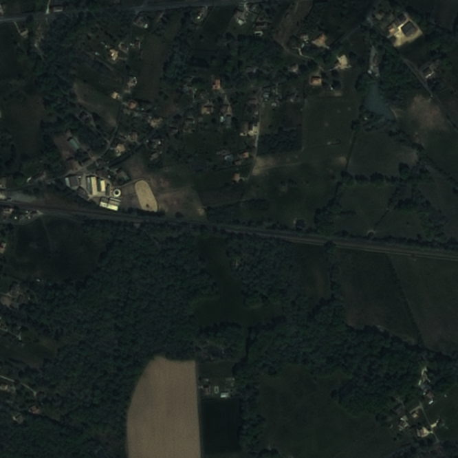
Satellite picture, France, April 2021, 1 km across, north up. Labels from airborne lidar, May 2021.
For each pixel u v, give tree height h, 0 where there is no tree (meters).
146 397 0
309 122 0
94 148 15
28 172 0
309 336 18
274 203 0
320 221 20
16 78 0
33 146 0
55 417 0
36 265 0
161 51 0
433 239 10
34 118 0
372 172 0
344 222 0
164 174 0
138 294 19
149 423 0
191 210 0
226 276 0
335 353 11
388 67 20
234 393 0
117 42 6
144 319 23
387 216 0
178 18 0
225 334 16
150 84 0
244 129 0
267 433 0
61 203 0
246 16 0
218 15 0
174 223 0
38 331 21
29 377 17
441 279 0
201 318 0
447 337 0
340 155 0
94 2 21
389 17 10
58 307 20
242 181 7
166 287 12
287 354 11
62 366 11
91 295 22
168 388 0
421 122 0
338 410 0
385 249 0
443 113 0
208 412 0
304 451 0
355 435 0
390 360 25
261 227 15
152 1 0
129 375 15
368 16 0
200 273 13
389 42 18
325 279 0
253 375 10
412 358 21
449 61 12
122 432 14
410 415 8
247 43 19
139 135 9
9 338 7
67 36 28
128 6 0
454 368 15
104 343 17
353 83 0
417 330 11
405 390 25
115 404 25
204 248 0
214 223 8
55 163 24
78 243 0
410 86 12
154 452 0
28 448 17
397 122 9
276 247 15
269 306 17
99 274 13
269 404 0
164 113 0
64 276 0
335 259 13
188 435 0
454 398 0
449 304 0
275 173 0
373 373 19
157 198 0
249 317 0
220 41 14
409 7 0
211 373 0
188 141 0
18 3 0
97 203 7
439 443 0
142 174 0
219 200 0
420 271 0
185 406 0
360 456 0
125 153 0
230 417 0
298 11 0
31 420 23
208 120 0
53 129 17
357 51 0
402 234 0
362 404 26
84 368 17
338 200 9
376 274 0
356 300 0
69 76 15
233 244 14
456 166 0
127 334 22
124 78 0
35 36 14
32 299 8
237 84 14
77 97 14
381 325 0
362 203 0
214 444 0
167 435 0
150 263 19
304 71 17
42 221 0
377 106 0
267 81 18
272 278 22
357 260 0
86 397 15
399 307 0
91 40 8
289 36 0
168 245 15
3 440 26
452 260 0
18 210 7
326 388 0
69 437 27
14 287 0
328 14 0
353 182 16
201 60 0
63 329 11
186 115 7
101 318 9
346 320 15
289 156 0
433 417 0
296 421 0
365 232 0
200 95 8
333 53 17
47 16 0
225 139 0
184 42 20
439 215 10
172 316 18
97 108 0
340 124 0
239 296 0
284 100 8
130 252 20
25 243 0
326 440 0
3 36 0
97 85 0
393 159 0
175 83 17
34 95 0
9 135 16
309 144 0
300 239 0
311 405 0
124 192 0
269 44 14
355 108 0
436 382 18
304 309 19
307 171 0
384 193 0
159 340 22
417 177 10
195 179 0
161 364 0
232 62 13
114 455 0
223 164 7
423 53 0
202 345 12
